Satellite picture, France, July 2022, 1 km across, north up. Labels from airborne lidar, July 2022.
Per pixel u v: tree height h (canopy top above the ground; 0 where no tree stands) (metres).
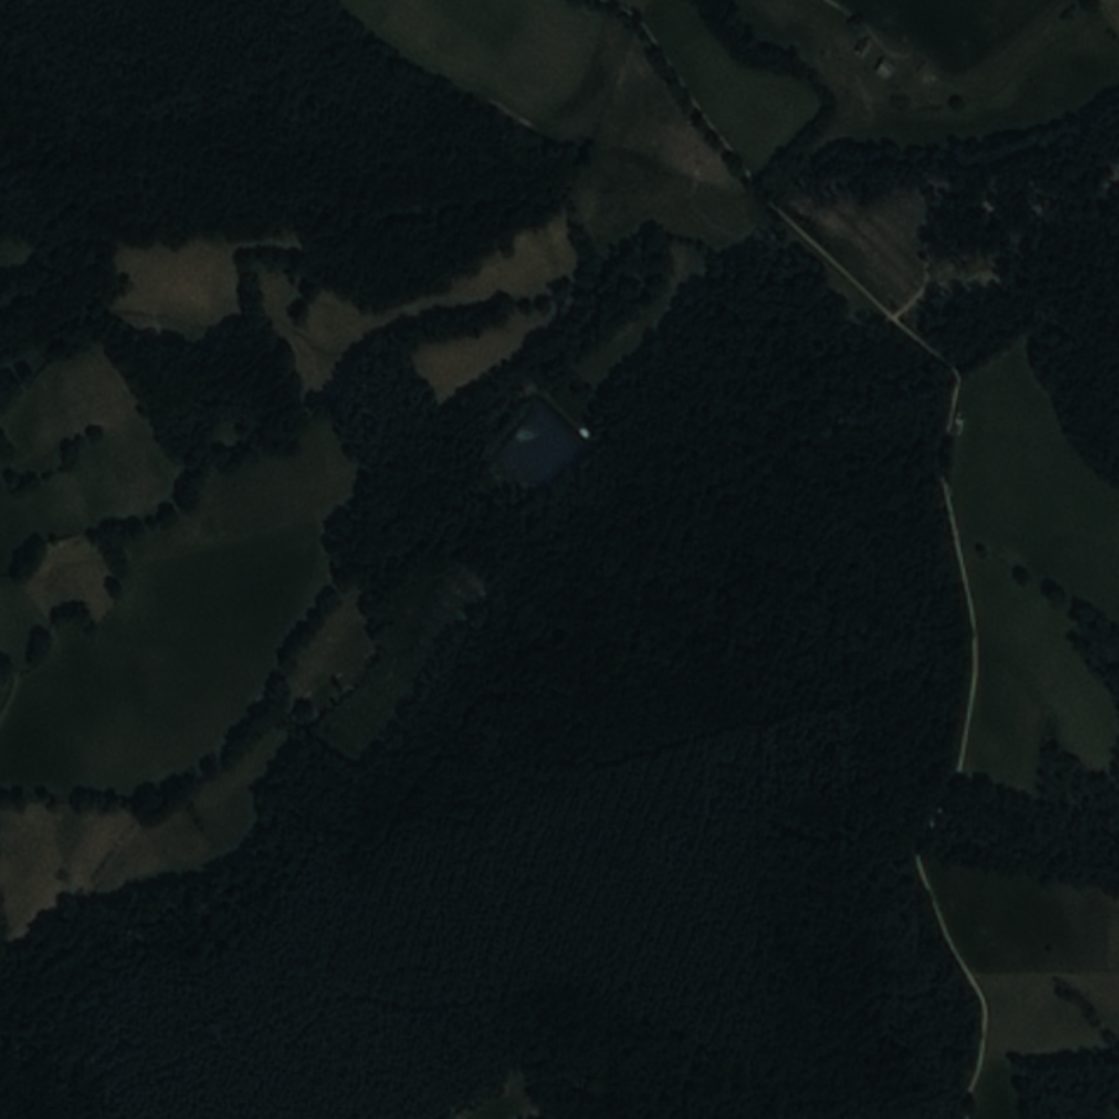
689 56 0
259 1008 23
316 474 0
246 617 0
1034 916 0
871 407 31
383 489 24
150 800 24
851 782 16
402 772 22
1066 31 0
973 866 15
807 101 0
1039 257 26
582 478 20
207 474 17
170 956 23
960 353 20
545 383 21
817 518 23
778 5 0
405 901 17
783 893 20
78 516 0
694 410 19
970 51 0
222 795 0
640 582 17
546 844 22
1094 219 26
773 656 22
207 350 19
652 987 20
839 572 24
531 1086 15
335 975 24
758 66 10
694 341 23
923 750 21
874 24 0
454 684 20
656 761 26
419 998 18
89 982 22
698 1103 18
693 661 15
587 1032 18
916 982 21
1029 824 10
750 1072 14
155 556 0
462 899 21
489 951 19
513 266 0
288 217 18
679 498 18
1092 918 0
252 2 23
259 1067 23
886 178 22
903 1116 18
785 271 18
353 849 25
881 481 24
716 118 0
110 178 20
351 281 20
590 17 0
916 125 0
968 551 0
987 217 16
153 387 23
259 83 20
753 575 22
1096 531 0
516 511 19
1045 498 0
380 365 24
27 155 26
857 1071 19
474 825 18
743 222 0
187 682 0
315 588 0
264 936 25
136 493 0
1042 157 22
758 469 17
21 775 0
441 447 18
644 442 20
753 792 18
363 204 12
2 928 18
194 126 20
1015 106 0
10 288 24
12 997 19
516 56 0
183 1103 26
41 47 20
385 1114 24
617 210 0
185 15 23
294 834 21
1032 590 0
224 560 0
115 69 20
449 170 21
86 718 0
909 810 15
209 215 17
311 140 20
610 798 25
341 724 0
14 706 0
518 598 16
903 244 0
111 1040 29
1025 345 0
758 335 23
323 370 0
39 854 0
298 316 19
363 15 0
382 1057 18
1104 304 19
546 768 23
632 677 17
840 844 21
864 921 21
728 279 20
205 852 0
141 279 0
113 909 22
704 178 0
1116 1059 21
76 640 0
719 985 21
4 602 0
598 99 0
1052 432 0
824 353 12
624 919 23
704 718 18
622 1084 19
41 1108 20
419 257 21
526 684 20
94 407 0
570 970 21
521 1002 18
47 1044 20
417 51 0
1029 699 0
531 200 12
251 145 21
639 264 15
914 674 17
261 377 23
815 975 20
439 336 16
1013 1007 0
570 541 17
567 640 19
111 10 20
